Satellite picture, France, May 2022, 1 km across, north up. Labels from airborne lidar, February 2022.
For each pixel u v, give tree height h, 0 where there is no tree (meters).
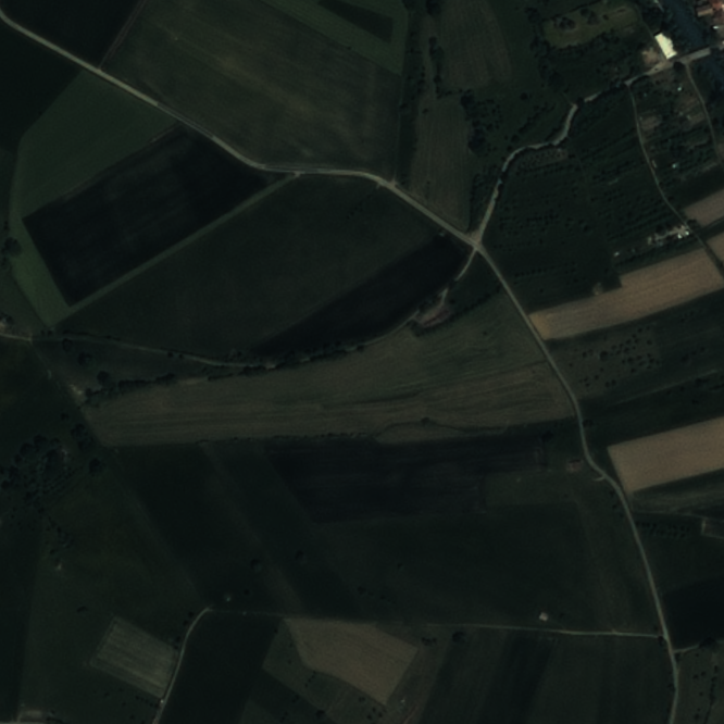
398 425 0
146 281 0
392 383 0
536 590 0
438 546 0
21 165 0
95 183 0
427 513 0
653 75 0
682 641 0
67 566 0
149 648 0
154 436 0
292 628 0
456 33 0
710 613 0
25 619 0
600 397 0
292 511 0
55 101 0
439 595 0
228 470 0
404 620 0
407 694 0
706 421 0
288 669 0
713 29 9
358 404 0
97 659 0
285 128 0
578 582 0
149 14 0
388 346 0
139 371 0
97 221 0
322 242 0
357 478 0
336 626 0
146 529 0
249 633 0
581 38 0
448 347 0
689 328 0
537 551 0
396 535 0
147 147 0
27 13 0
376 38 0
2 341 0
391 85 0
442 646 0
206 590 0
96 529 0
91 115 0
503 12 0
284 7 0
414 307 0
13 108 0
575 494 0
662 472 0
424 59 0
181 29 0
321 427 0
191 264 0
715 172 0
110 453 0
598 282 0
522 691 0
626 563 0
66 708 0
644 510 0
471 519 0
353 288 0
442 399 0
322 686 0
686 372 0
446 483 0
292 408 0
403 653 0
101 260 0
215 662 0
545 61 10
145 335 0
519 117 0
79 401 0
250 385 0
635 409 0
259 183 0
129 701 0
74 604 0
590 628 0
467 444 0
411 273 0
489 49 0
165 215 0
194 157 0
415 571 0
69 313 0
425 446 0
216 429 0
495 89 0
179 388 0
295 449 0
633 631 0
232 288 0
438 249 0
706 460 0
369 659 0
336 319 0
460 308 0
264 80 0
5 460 0
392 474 0
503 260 0
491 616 0
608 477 0
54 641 0
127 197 0
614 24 0
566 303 0
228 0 0
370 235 0
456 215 0
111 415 0
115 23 0
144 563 0
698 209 0
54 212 0
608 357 9
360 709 0
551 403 0
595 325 0
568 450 0
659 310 0
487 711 0
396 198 0
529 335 0
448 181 0
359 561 0
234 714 0
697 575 0
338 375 0
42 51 0
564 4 0
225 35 0
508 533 0
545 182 0
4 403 0
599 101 6
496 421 0
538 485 0
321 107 0
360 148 0
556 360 0
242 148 0
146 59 0
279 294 0
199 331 0
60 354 0
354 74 0
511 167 6
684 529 7
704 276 0
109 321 0
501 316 0
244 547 0
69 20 0
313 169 0
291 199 0
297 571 0
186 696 0
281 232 0
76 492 0
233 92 0
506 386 0
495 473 0
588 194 0
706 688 0
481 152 19
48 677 0
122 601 0
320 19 0
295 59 0
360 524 0
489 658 0
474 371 0
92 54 0
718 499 0
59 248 0
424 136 0
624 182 0
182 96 0
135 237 0
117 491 0
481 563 0
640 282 0
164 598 0
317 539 0
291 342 0
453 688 0
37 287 0
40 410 0
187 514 0
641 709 0
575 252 0
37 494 6
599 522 0
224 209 0
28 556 0
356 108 0
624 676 0
